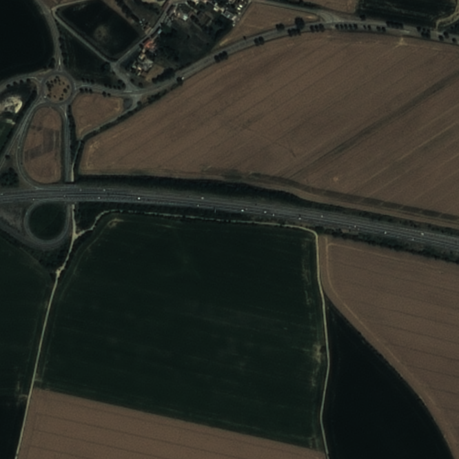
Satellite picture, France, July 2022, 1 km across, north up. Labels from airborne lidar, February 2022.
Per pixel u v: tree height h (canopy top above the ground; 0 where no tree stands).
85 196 0
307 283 0
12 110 0
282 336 0
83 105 0
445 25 0
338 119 0
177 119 0
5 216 0
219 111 0
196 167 0
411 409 0
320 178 0
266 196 7
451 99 0
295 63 0
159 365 0
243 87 0
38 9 0
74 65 0
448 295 0
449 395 0
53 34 0
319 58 0
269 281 0
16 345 0
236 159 0
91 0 0
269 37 0
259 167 0
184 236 0
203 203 0
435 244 0
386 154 0
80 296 0
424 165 0
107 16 0
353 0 0
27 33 0
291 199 9
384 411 0
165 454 0
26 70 0
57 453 0
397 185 0
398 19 0
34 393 0
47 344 0
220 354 0
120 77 0
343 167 0
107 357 0
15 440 0
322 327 0
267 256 0
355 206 0
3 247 0
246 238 0
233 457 0
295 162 0
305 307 0
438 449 0
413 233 0
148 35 0
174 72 16
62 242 0
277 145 0
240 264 0
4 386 0
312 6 8
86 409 0
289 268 0
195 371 0
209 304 0
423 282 0
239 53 0
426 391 0
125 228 0
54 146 0
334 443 0
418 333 0
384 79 0
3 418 0
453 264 0
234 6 12
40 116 0
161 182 10
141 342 0
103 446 0
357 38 0
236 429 0
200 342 0
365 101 0
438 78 0
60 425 0
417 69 0
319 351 0
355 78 0
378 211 0
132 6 0
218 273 0
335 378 0
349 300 0
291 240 0
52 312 0
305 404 0
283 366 0
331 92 0
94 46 6
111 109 0
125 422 0
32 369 0
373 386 0
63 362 0
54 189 0
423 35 10
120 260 0
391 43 0
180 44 0
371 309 0
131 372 0
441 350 0
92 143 0
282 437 0
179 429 0
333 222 0
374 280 0
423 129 0
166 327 0
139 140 0
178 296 0
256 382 0
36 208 0
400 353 0
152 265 0
